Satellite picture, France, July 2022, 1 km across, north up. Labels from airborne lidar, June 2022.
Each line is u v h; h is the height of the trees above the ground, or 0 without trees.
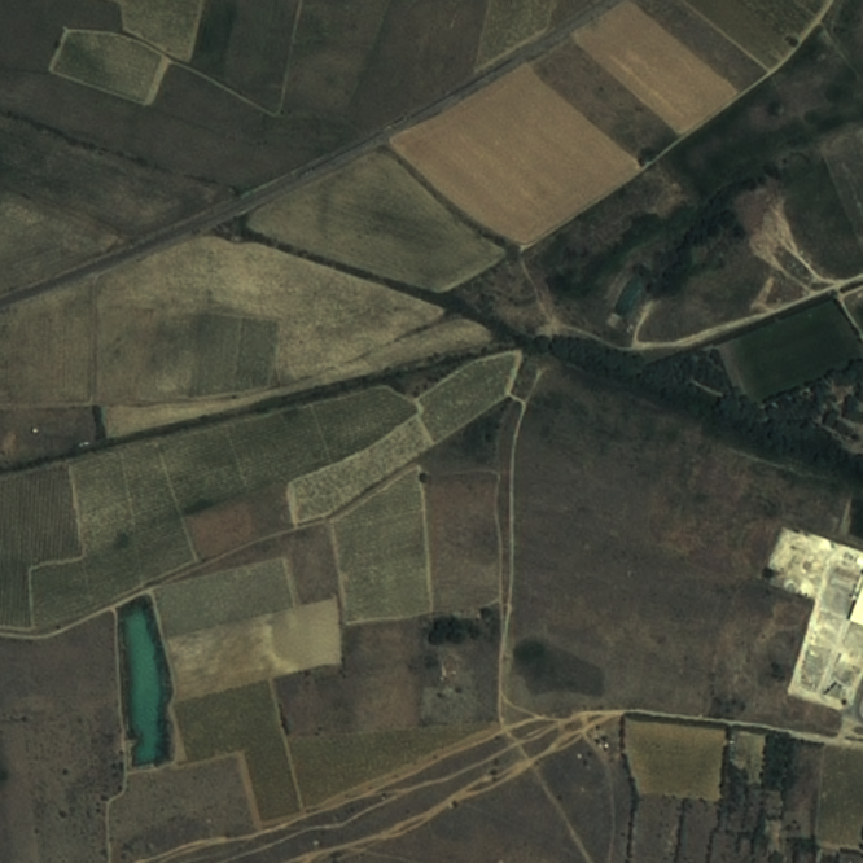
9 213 0
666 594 0
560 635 0
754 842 9
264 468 0
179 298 0
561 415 0
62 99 0
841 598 0
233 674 0
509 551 0
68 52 0
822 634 0
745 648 0
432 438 0
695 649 0
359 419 0
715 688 0
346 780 0
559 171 0
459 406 0
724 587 0
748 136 0
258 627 0
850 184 0
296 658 0
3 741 0
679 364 9
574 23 0
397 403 0
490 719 0
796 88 0
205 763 0
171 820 0
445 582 0
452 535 0
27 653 0
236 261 0
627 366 15
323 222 0
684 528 0
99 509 0
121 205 0
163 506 0
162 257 0
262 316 0
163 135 0
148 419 0
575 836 0
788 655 0
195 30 0
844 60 0
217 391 0
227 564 0
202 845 0
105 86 0
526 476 0
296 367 0
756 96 0
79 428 0
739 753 0
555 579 0
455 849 0
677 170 0
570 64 0
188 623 0
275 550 0
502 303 0
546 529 0
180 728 0
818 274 0
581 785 0
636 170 0
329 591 0
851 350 0
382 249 0
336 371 0
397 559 0
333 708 0
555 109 0
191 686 0
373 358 0
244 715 0
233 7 0
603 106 0
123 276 0
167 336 0
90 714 0
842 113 0
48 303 0
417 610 0
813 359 0
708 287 0
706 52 0
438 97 0
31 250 0
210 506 0
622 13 0
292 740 0
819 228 0
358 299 0
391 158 0
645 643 0
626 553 0
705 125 0
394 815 0
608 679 0
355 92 0
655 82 0
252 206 0
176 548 0
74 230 0
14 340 0
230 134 0
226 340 0
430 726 0
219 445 0
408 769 0
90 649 0
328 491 0
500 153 0
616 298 0
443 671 0
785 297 0
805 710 0
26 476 0
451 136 0
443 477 0
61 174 0
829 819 0
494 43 0
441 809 0
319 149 0
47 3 0
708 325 0
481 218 0
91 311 0
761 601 0
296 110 0
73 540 0
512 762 0
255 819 0
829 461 9
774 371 0
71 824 0
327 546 0
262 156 0
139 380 0
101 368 0
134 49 0
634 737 0
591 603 0
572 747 0
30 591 0
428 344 0
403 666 0
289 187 0
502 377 0
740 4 0
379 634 0
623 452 0
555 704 0
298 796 0
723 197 12
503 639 0
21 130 0
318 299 0
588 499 0
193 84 0
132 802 0
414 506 0
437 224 0
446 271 0
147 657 0
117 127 0
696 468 0
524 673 0
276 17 0
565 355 20
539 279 0
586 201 0
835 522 0
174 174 0
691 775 0
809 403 9
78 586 0
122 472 0
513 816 0
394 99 0
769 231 0
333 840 0
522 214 0
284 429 0
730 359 0
